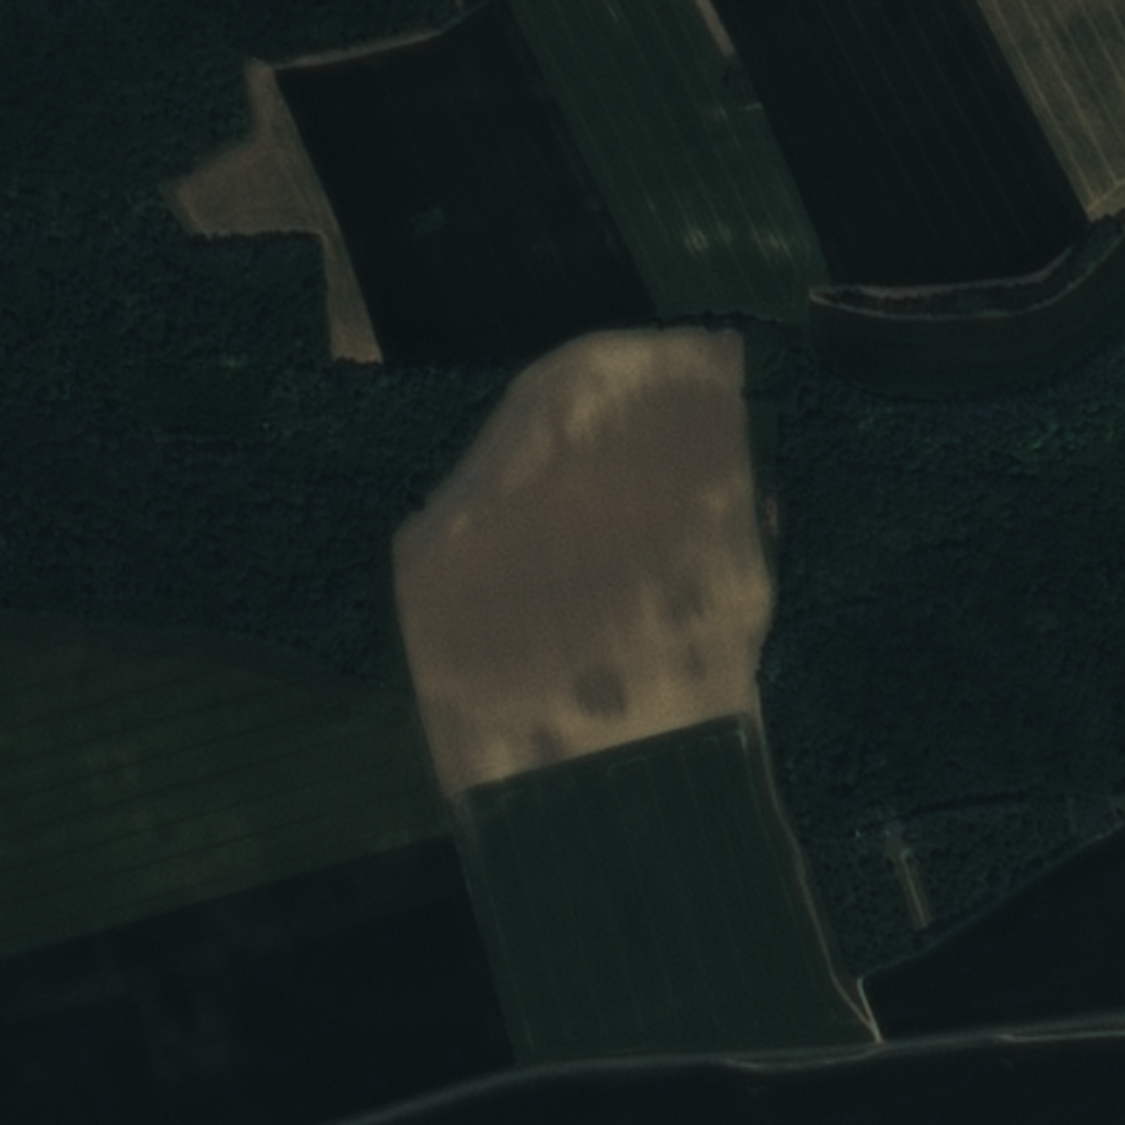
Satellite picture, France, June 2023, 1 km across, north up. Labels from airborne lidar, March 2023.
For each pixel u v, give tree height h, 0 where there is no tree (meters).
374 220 0
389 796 0
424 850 0
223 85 13
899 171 0
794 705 14
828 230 0
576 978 0
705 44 0
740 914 0
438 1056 0
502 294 0
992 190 0
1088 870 0
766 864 0
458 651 0
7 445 25
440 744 0
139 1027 0
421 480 22
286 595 20
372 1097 0
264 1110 0
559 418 0
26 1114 0
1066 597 25
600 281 0
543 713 0
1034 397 20
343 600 20
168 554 23
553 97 0
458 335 0
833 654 18
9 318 22
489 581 0
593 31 0
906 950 7
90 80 21
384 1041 0
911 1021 0
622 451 0
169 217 16
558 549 0
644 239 0
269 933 0
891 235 0
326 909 0
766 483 0
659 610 0
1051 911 0
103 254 18
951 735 19
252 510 24
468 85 0
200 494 19
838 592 14
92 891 0
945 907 7
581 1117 0
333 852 0
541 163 0
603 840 0
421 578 0
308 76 0
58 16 20
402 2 20
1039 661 27
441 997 0
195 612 20
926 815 12
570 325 0
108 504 22
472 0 0
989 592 23
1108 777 16
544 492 0
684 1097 0
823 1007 0
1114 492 15
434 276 0
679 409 0
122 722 0
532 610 0
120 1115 0
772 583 0
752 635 0
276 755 0
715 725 0
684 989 0
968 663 25
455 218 0
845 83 0
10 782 0
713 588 0
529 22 0
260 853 0
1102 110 0
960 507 14
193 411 6
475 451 0
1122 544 21
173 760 0
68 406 21
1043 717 22
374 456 8
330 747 0
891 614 24
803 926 0
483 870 0
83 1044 0
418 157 0
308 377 17
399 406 10
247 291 19
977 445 18
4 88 20
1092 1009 0
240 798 0
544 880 0
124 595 22
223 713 0
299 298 15
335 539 21
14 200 16
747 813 0
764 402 15
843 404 21
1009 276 0
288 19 21
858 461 13
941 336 0
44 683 0
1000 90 0
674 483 0
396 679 0
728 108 0
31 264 21
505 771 0
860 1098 0
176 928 0
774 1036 0
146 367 6
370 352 0
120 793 0
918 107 0
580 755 0
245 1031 0
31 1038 0
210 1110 0
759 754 0
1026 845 10
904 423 15
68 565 25
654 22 0
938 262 0
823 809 16
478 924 0
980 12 0
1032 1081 0
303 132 0
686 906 0
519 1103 0
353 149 0
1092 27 0
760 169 0
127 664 0
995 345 0
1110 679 16
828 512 18
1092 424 19
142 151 10
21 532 24
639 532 0
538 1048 0
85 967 0
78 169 12
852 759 19
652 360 0
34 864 0
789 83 0
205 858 0
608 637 0
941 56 0
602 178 0
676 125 0
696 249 0
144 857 0
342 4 18
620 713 0
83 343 23
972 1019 0
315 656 11
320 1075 0
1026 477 17
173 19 19
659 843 0
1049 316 0
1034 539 25
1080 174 0
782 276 0
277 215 0
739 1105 0
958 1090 0
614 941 0
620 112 0
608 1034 0
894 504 11
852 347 0
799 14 0
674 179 0
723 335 0
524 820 0
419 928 0
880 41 0
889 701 22
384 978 0
